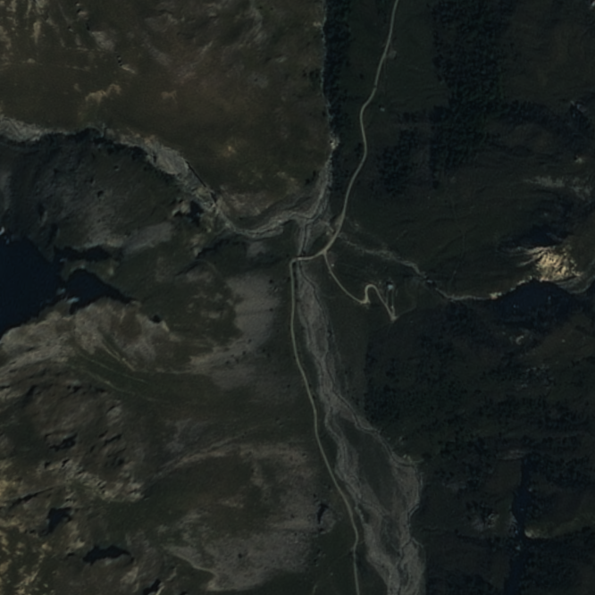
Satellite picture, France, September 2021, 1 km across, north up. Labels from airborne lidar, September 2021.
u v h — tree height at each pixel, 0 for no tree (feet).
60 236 0
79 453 0
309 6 0
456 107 35
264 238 0
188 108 0
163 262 0
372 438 0
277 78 0
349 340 0
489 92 23
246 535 0
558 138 0
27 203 0
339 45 35
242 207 0
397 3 0
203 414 0
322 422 0
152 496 0
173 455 0
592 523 0
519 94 0
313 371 0
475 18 29
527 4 0
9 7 0
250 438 0
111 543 0
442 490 0
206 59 0
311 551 0
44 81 0
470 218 0
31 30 0
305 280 0
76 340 0
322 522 0
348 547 0
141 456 0
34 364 0
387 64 0
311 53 0
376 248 0
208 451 0
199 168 0
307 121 0
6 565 0
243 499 0
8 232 0
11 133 0
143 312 0
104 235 0
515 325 0
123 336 0
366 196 0
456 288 0
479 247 0
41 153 0
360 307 0
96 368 0
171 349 0
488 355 0
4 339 0
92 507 0
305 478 0
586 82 0
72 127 0
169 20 0
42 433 0
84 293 0
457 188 0
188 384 0
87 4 0
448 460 0
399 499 0
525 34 0
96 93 0
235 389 0
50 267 0
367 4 0
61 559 0
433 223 0
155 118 0
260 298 0
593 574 0
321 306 0
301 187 0
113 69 0
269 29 0
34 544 0
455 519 0
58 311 0
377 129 0
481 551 0
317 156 0
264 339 0
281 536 0
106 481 0
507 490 0
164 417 0
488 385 0
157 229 0
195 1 0
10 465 0
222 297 0
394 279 0
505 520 0
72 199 0
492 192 0
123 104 0
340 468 0
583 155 0
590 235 0
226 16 0
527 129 0
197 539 0
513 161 0
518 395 0
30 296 0
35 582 0
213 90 0
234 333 0
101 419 0
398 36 0
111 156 31
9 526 0
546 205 0
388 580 0
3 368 0
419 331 0
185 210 0
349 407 0
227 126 0
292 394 0
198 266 0
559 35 0
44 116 0
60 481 0
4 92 0
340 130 22
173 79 0
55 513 0
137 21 0
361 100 0
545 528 0
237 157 0
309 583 0
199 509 0
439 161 32
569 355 0
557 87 0
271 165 0
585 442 0
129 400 0
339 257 0
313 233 0
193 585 0
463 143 29
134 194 0
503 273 0
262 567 0
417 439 0
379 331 0
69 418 0
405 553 0
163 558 0
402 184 25
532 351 0
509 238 0
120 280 0
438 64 21
